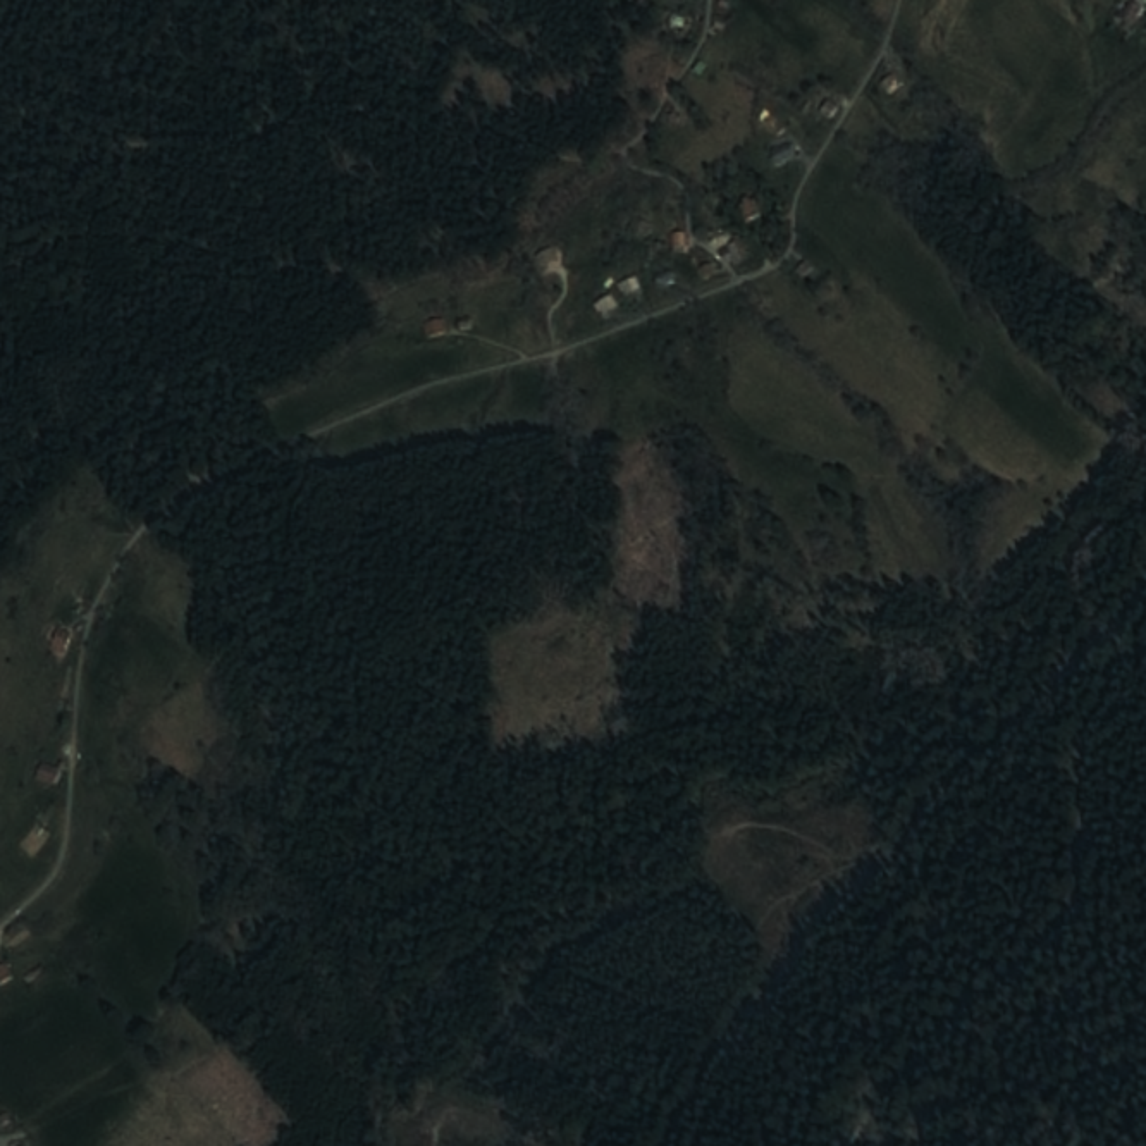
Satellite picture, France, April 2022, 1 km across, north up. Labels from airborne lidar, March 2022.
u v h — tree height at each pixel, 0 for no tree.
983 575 23
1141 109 0
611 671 0
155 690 0
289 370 23
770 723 26
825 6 0
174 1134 0
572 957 31
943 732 31
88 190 31
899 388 0
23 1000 0
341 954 16
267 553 30
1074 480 0
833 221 0
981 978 33
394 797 34
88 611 0
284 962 25
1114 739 37
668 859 28
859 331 0
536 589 28
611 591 28
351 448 0
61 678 0
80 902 0
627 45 29
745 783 29
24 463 24
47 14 22
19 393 24
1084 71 0
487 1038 23
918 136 0
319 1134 12
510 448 28
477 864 32
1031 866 34
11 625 0
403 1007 17
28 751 0
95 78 19
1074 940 36
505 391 0
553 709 0
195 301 23
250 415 25
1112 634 0
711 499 21
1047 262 26
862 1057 36
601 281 0
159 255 11
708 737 36
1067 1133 29
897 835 34
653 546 0
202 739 0
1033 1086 20
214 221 26
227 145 25
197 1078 0
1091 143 6
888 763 35
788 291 0
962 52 0
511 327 0
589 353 0
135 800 0
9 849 0
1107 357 8
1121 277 7
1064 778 25
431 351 0
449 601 28
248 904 14
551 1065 18
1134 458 38
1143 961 32
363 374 0
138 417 23
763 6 0
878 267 0
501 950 26
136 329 25
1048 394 0
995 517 24
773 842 0
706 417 0
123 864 0
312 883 16
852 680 26
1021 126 0
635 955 26
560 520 29
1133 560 35
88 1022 0
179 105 22
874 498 0
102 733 0
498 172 23
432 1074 32
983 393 0
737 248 0
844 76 0
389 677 32
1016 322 24
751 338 0
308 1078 7
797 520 0
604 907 17
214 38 11
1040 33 0
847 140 15
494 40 29
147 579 0
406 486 30
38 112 29
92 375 20
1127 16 0
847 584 13
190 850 8
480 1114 0
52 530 0
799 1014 24
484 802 33
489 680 32
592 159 17
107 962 0
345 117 22
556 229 8
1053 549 30
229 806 14
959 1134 10
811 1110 34
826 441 0
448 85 30
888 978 34
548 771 27
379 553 30
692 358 0
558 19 22
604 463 27
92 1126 0
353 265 19
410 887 35
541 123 25
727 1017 29
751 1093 33
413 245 27
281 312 26
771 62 6
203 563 22
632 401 0
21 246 11
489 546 30
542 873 19
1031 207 7
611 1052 27
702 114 16
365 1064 11
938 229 30
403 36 30
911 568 0
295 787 30
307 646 30
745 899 0
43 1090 0
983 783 38
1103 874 26
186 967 11
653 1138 30
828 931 26
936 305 0
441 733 32
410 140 26
